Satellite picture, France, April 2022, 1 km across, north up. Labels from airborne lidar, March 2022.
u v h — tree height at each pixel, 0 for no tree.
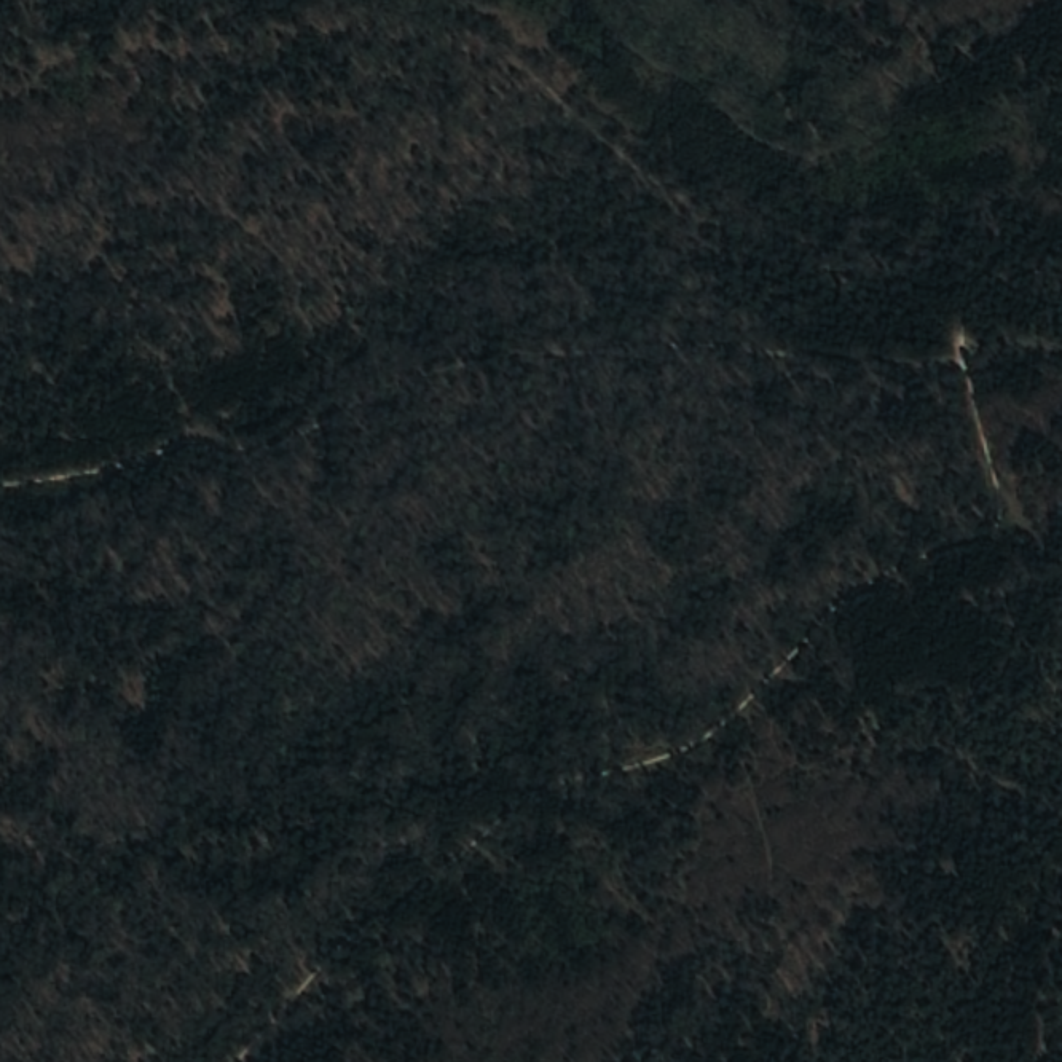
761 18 19
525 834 30
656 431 28
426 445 29
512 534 23
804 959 25
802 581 25
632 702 12
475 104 30
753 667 23
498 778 22
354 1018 13
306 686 25
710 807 29
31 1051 29
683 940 10
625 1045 12
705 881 7
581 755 27
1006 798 29
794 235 24
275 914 29
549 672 29
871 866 7
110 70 27
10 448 33
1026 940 12
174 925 28
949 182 16
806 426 34
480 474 30
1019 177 14
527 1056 8
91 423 12
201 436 0
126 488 28
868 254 26
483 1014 11
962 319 21
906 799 17
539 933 11
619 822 25
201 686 26
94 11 13
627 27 23
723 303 29
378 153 27
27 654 24
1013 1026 25
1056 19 22
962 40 28
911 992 30
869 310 28
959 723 29
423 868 22
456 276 30
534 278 30
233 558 27
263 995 22
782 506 27
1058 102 14
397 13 20
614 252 34
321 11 22
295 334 27
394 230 28
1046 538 11
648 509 26
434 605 27
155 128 13
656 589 25
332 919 25
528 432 33
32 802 6
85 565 16
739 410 32
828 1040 8
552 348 25
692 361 26
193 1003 24
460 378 31
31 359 32
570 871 10
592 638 23
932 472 28
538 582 25
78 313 31
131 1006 29
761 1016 20
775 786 6
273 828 33
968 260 28
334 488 23
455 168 27
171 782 34
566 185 24
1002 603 16
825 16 19
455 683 28
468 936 12
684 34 24
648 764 0
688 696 30
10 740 29
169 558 25
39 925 22
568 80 27
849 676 26
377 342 28
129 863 8
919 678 11
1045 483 7
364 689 21
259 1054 28
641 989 7
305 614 29
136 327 28
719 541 24
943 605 11
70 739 34
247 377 10
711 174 13
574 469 26
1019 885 25
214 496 25
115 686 27
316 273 28
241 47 30
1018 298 28
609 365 32
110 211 30
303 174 30
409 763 27
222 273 30
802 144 28
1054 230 12
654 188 28
